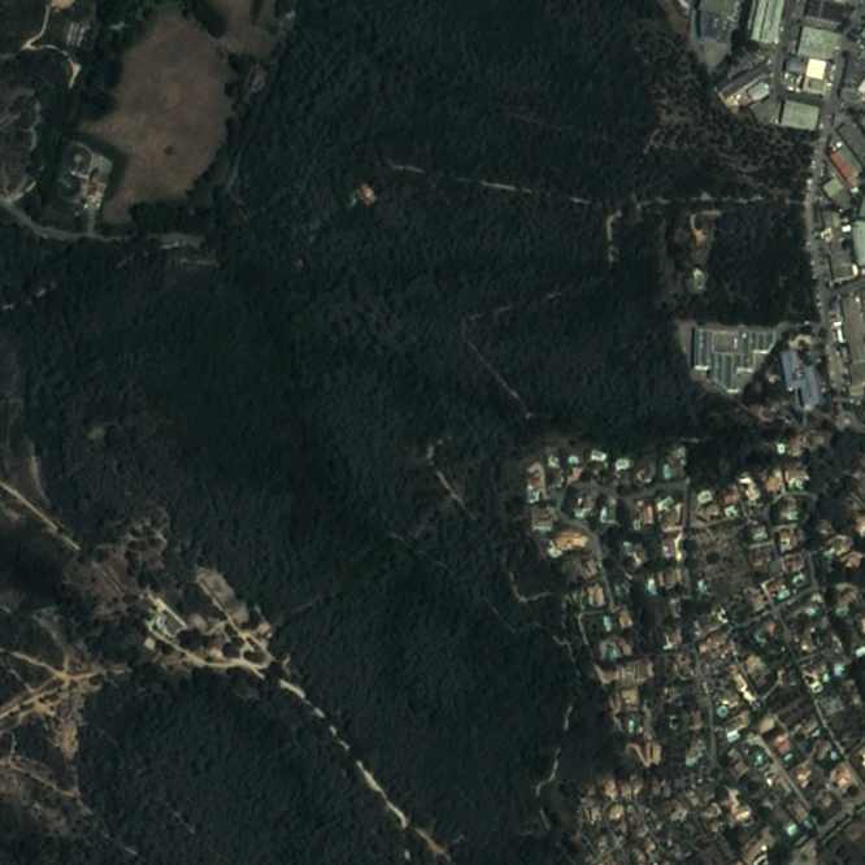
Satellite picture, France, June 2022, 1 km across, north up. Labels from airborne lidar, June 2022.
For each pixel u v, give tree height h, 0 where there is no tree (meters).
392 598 11
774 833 6
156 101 0
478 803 10
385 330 22
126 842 9
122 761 18
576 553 7
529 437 15
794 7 0
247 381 13
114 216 0
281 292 11
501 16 9
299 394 19
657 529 5
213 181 9
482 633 21
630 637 10
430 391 19
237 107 9
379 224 12
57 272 14
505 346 16
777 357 8
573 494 6
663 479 6
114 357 14
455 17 6
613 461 8
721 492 10
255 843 19
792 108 0
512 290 12
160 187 0
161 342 6
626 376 13
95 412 8
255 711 15
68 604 9
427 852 15
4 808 8
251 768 14
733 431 8
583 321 9
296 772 16
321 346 9
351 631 22
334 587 23
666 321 11
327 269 26
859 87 0
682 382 18
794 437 12
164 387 7
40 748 10
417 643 18
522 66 15
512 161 16
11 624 11
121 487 17
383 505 20
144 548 15
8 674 11
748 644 16
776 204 13
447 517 13
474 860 14
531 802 15
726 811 7
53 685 0
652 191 10
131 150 0
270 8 0
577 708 8
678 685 6
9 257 8
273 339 10
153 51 0
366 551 20
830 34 0
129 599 12
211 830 21
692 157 10
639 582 13
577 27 12
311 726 13
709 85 10
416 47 16
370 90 23
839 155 0
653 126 9
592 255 13
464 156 9
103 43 8
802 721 6
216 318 13
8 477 5
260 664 14
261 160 9
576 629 6
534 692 15
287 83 11
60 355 13
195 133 0
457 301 21
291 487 13
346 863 17
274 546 17
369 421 19
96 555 18
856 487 22
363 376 24
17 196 0
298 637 15
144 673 11
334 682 17
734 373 0
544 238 17
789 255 10
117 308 11
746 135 10
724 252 9
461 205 8
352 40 8
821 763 6
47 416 8
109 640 16
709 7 0
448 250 19
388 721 19
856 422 0
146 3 17
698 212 15
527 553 10
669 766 10
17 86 6
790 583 9
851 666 7
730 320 10
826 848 9
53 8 6
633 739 8
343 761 20
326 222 18
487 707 8
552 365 18
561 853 19
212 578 0
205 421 6
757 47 12
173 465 21
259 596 7
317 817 9
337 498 9
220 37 20
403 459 17
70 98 15
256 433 19
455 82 21
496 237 17
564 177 12
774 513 12
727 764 6
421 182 10
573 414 18
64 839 8
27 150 5
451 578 23
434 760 17
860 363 0
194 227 29
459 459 6
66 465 18
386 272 12
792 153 8
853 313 0
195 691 11
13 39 8
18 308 12
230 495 15
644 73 10
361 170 13
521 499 12
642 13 11
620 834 8
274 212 11
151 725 12
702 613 5
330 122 16
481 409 20
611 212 14
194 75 0
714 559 12
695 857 11
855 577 20
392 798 7
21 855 9
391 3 17
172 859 23
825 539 8
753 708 8
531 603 9
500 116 15
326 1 16
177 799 15
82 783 10
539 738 13
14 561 12
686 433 13
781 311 6
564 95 9
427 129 12
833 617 10
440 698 19
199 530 18
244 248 12
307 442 7
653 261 12
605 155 9
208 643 19
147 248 6
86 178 0
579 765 6
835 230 0
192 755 19
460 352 17
